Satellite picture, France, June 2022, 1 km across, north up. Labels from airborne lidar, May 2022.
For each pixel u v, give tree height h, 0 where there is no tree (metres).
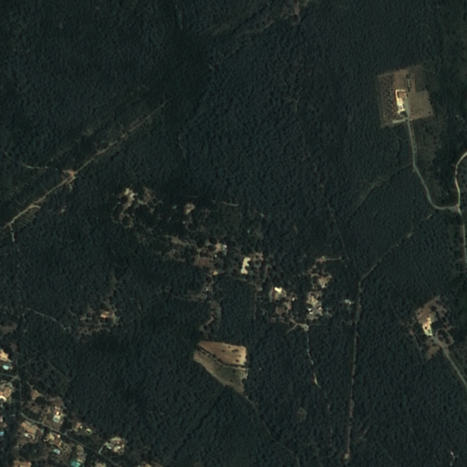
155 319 16
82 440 14
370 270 14
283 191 18
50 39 16
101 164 8
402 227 15
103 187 11
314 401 14
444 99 15
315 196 17
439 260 14
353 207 18
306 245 9
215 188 20
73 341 19
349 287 9
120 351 13
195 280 21
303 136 16
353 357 7
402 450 12
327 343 18
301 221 8
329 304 18
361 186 9
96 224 21
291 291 7
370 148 12
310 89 6
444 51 15
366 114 9
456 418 20
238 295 14
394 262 14
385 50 14
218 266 12
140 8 7
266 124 18
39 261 22
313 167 8
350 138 10
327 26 19
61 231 19
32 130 18
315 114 17
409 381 20
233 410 18
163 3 11
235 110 20
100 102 20
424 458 8
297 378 15
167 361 19
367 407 20
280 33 20
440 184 9
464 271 13
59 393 20
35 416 7
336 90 10
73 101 21
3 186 14
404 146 15
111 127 16
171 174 20
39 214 18
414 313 6
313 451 18
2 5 11
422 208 15
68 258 24
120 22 19
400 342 15
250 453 16
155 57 9
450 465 12
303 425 12
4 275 19
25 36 17
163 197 12
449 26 7
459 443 20
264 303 7
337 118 7
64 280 22
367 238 14
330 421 7
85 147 10
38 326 17
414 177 16
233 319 16
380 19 18
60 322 21
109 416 15
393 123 0
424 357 17
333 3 19
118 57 19
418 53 17
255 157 18
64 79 17
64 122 19
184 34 9
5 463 17
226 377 0
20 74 21
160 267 16
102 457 9
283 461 19
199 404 13
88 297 21
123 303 16
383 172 12
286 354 14
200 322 15
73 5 10
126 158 21
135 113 10
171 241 10
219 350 0
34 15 8
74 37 19
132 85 15
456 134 7
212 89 18
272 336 17
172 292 16
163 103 11
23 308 18
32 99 17
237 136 9
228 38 10
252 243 11
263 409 14
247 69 20
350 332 7
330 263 6
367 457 7
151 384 19
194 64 11
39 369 17
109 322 23
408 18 17
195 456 22
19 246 21
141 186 20
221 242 9
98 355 15
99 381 19
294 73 13
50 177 19
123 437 17
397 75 0
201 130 18
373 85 17
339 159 15
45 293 22
